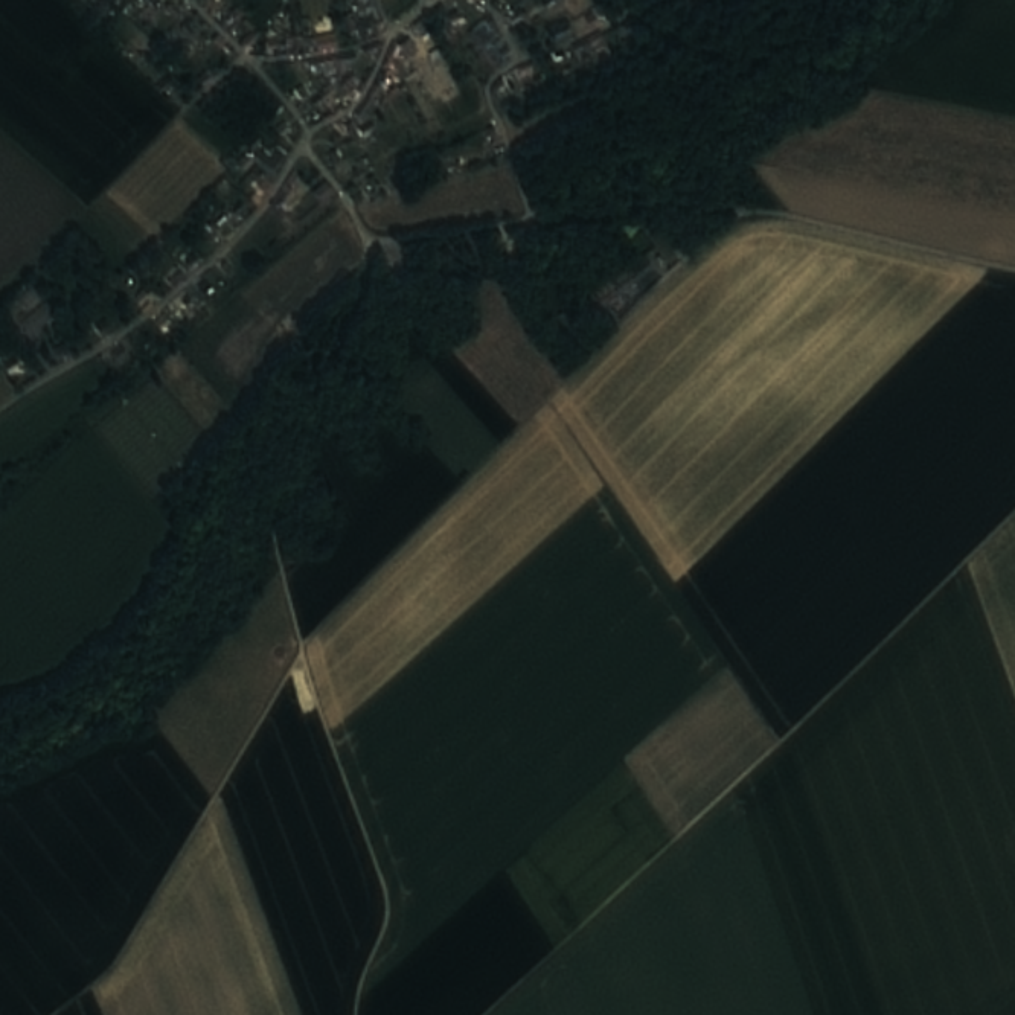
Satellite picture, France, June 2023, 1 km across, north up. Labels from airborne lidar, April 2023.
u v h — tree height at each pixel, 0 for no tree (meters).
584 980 0
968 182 0
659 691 0
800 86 22
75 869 0
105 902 0
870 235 0
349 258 0
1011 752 0
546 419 0
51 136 0
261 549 9
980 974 0
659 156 20
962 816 0
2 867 0
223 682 0
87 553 0
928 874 0
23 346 19
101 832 0
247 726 0
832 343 0
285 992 0
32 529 0
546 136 25
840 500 0
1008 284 0
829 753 0
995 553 0
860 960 0
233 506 19
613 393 0
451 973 0
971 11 0
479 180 0
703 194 20
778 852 0
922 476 0
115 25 7
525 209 0
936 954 0
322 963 0
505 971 0
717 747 0
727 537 0
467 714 0
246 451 24
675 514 0
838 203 0
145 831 0
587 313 21
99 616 0
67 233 14
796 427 0
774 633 0
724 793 0
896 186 0
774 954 0
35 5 0
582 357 15
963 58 0
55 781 0
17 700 21
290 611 0
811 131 0
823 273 0
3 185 0
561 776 0
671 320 0
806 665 0
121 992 0
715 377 0
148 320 0
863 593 0
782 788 0
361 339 18
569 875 0
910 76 0
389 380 20
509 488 0
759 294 0
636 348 0
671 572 0
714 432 0
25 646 0
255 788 0
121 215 0
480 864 0
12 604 0
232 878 0
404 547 0
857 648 0
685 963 0
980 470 0
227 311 0
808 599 0
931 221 0
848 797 0
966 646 0
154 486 0
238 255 0
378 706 0
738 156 21
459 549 0
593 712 0
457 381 0
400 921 0
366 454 16
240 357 0
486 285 0
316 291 0
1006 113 0
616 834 0
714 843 0
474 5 0
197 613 21
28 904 0
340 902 0
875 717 0
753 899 0
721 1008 0
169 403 0
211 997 0
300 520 11
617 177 24
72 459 0
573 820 0
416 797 0
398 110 0
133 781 0
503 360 0
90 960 0
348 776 0
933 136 0
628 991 0
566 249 19
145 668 18
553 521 0
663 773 0
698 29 17
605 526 0
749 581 0
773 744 0
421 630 0
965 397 0
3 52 0
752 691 0
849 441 0
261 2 0
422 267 21
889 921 0
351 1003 0
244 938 0
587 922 0
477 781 0
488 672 0
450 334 16
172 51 19
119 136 0
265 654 0
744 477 0
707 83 28
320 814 0
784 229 0
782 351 0
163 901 0
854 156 0
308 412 15
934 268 0
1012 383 0
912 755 0
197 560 19
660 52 21
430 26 11
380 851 0
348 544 0
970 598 0
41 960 0
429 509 0
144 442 0
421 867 0
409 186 28
